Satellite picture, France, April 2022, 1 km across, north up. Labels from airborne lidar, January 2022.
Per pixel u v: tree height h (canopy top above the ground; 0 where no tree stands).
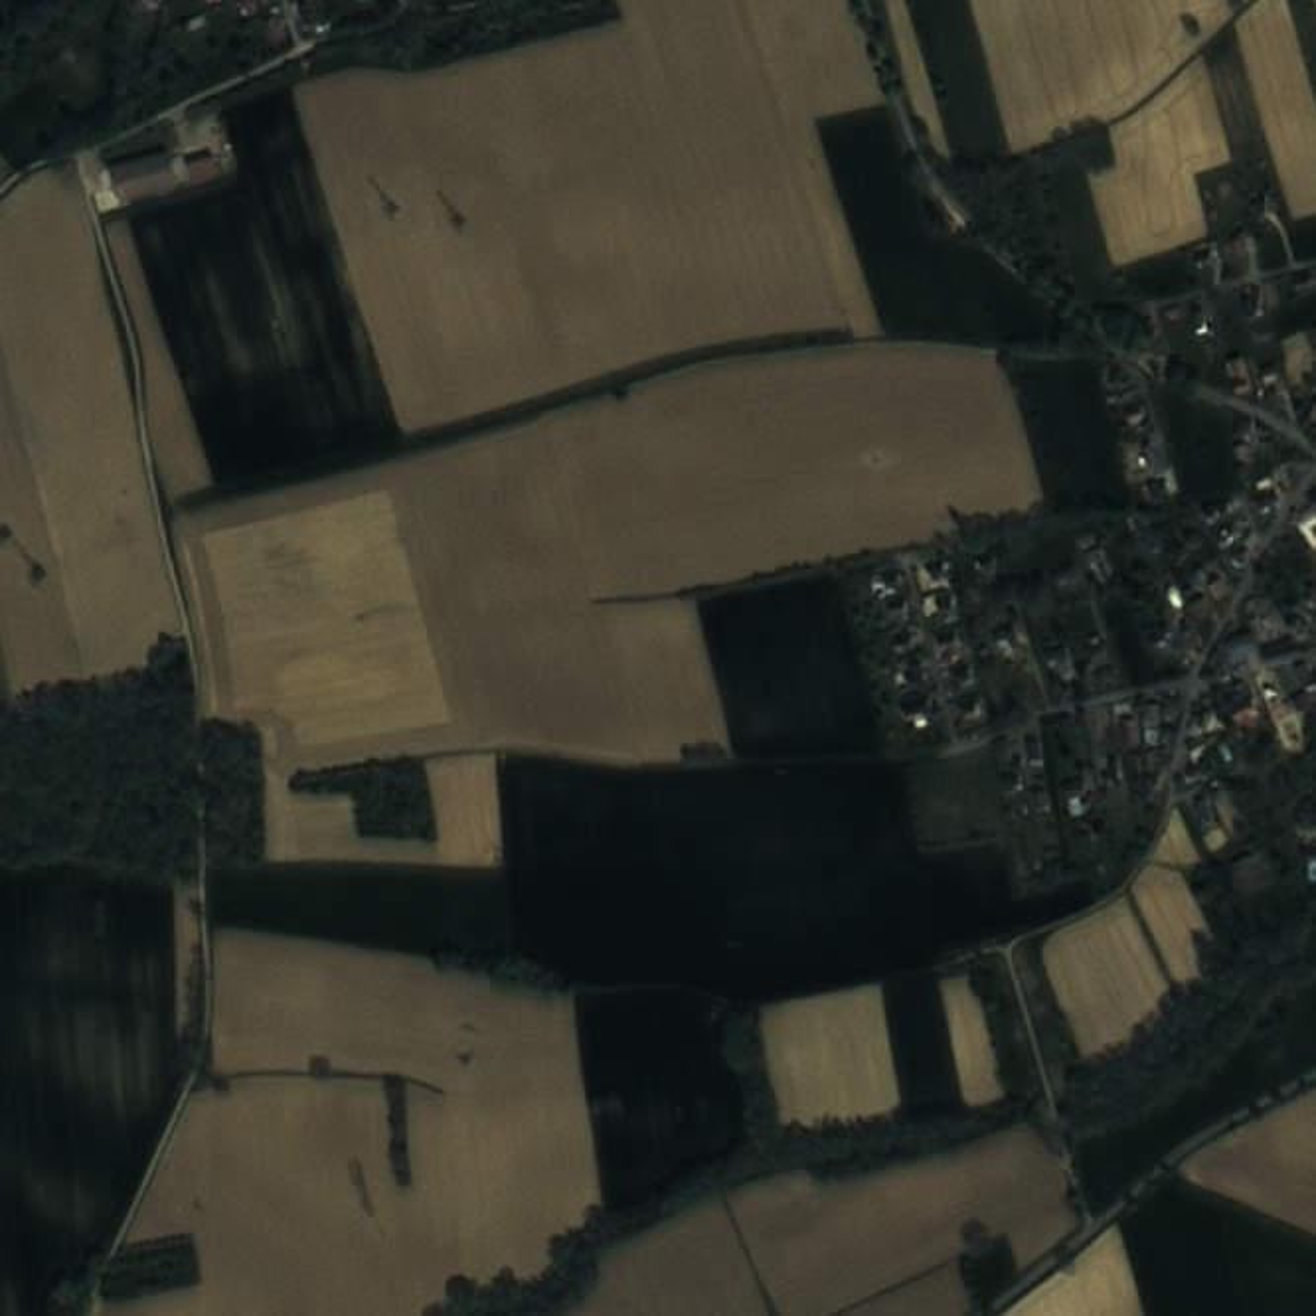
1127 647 0
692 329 0
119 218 0
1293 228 0
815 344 8
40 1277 0
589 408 0
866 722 0
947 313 0
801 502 0
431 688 0
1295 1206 0
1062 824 8
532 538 0
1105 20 0
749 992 0
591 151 0
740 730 0
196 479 0
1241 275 11
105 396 0
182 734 27
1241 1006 25
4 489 0
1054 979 0
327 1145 0
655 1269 0
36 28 26
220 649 0
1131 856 9
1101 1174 0
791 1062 0
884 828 0
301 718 0
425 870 0
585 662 0
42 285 0
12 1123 0
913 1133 23
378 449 0
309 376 0
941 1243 0
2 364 0
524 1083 0
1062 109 0
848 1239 0
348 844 0
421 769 16
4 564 0
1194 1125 0
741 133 0
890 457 0
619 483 0
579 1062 0
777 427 0
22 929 0
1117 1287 0
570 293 0
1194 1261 0
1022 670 0
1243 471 11
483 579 0
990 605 16
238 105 0
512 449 0
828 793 0
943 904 0
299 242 0
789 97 0
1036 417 9
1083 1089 23
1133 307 0
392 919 0
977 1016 0
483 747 0
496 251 0
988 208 19
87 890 0
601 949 0
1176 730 6
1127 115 0
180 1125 0
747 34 0
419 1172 0
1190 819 0
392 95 0
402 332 0
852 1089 0
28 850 24
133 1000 0
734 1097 0
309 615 0
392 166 0
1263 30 0
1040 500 0
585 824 0
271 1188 0
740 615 0
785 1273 0
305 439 0
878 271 0
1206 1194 0
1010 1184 0
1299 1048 0
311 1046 0
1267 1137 0
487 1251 0
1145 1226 0
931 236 0
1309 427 15
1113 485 0
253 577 0
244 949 0
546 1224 0
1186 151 0
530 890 0
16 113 0
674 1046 0
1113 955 0
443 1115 0
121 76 17
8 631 0
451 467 0
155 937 0
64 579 0
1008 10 0
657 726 0
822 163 0
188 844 19
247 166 0
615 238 0
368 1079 0
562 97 0
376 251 0
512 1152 0
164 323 0
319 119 0
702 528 0
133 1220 0
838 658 0
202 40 0
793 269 0
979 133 0
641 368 0
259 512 0
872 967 0
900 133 0
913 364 0
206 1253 0
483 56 0
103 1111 0
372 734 0
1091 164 17
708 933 0
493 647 0
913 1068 0
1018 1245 0
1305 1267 0
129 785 25
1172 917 0
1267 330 0
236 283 0
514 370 0
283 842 0
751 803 0
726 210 0
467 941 0
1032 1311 0
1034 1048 0
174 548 0
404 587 0
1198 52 0
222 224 0
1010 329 0
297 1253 0
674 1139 0
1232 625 0
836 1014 0
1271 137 0
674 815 0
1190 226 0
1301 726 0
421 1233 0
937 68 0
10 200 0
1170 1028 24
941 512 0
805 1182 0
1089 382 0
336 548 0
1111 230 0
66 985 0
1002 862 0
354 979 0
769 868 0
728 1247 0
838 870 0
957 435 0
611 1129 0
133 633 0
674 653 0
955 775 0
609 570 0
